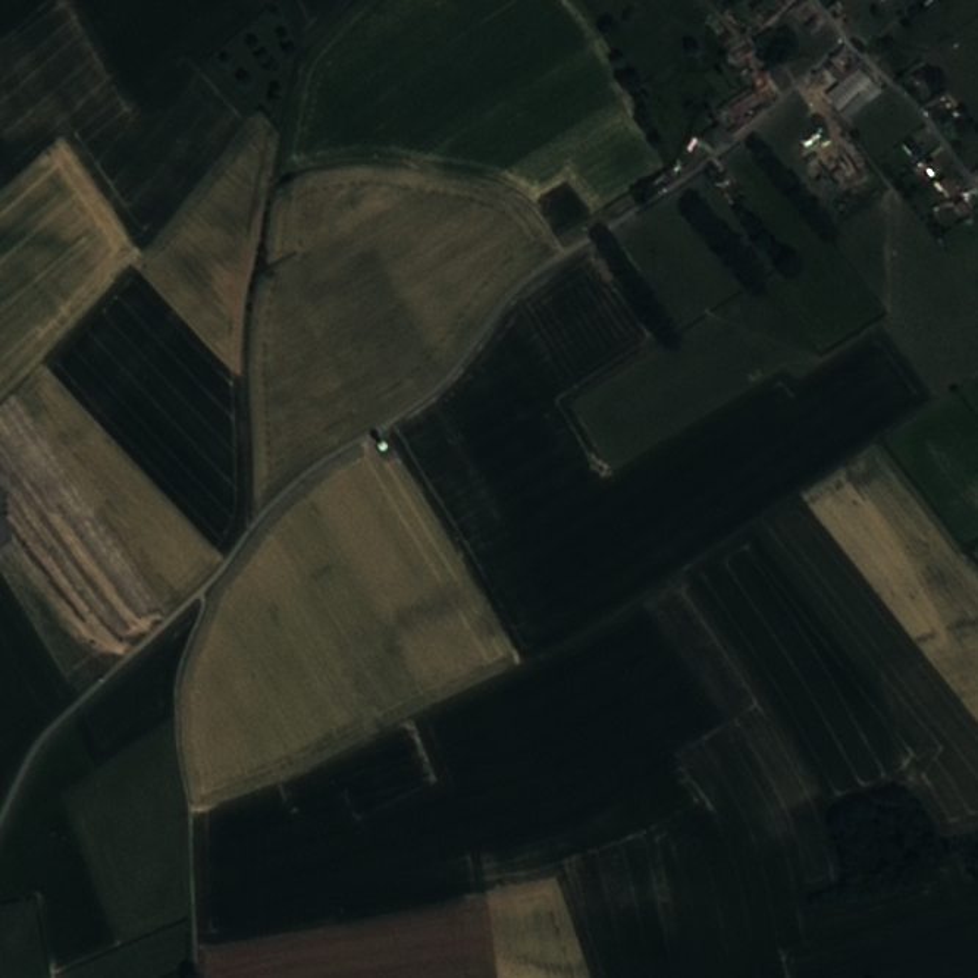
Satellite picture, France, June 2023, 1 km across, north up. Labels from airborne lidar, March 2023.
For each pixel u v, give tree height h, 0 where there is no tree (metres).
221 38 0
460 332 0
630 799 0
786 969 0
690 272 0
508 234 0
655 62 0
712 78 0
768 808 0
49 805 0
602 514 0
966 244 0
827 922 0
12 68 0
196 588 0
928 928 0
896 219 0
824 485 0
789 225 0
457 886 0
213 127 0
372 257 0
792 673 0
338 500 0
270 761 0
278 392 0
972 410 0
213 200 0
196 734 0
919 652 0
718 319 0
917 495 0
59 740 0
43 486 0
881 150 0
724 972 0
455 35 0
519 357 0
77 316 0
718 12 0
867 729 0
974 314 0
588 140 0
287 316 0
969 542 0
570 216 0
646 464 0
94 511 0
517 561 0
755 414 0
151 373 0
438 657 0
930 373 0
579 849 0
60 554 0
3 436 0
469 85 0
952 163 0
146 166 0
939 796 0
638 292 27
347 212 0
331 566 0
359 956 0
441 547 0
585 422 0
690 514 0
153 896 0
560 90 0
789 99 0
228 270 0
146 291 0
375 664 0
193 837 0
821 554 0
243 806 0
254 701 0
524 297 0
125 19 0
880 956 0
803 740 0
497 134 0
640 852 0
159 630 0
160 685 0
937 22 0
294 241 0
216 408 0
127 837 0
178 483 0
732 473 0
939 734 0
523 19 0
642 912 0
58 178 0
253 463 0
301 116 0
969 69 0
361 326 0
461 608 0
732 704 0
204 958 0
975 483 0
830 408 0
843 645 0
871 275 0
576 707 0
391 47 0
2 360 0
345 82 0
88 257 0
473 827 0
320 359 0
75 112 0
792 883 0
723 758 0
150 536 0
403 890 0
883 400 0
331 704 0
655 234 0
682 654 0
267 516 0
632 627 0
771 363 0
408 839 0
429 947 0
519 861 0
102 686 0
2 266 0
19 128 0
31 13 0
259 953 0
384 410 0
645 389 0
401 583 0
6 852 0
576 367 0
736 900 0
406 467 0
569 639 0
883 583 0
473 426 0
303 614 0
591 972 0
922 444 0
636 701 0
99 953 0
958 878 0
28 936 0
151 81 0
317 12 0
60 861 0
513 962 0
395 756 0
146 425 0
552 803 0
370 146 0
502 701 0
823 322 0
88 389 0
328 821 0
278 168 0
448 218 0
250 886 0
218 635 0
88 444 0
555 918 0
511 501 0
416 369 0
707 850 0
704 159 0
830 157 0
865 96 0
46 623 0
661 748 0
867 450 0
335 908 0
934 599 0
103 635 0
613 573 0
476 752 0
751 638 0
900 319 0
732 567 0
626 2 0
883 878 24
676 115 0
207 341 0
